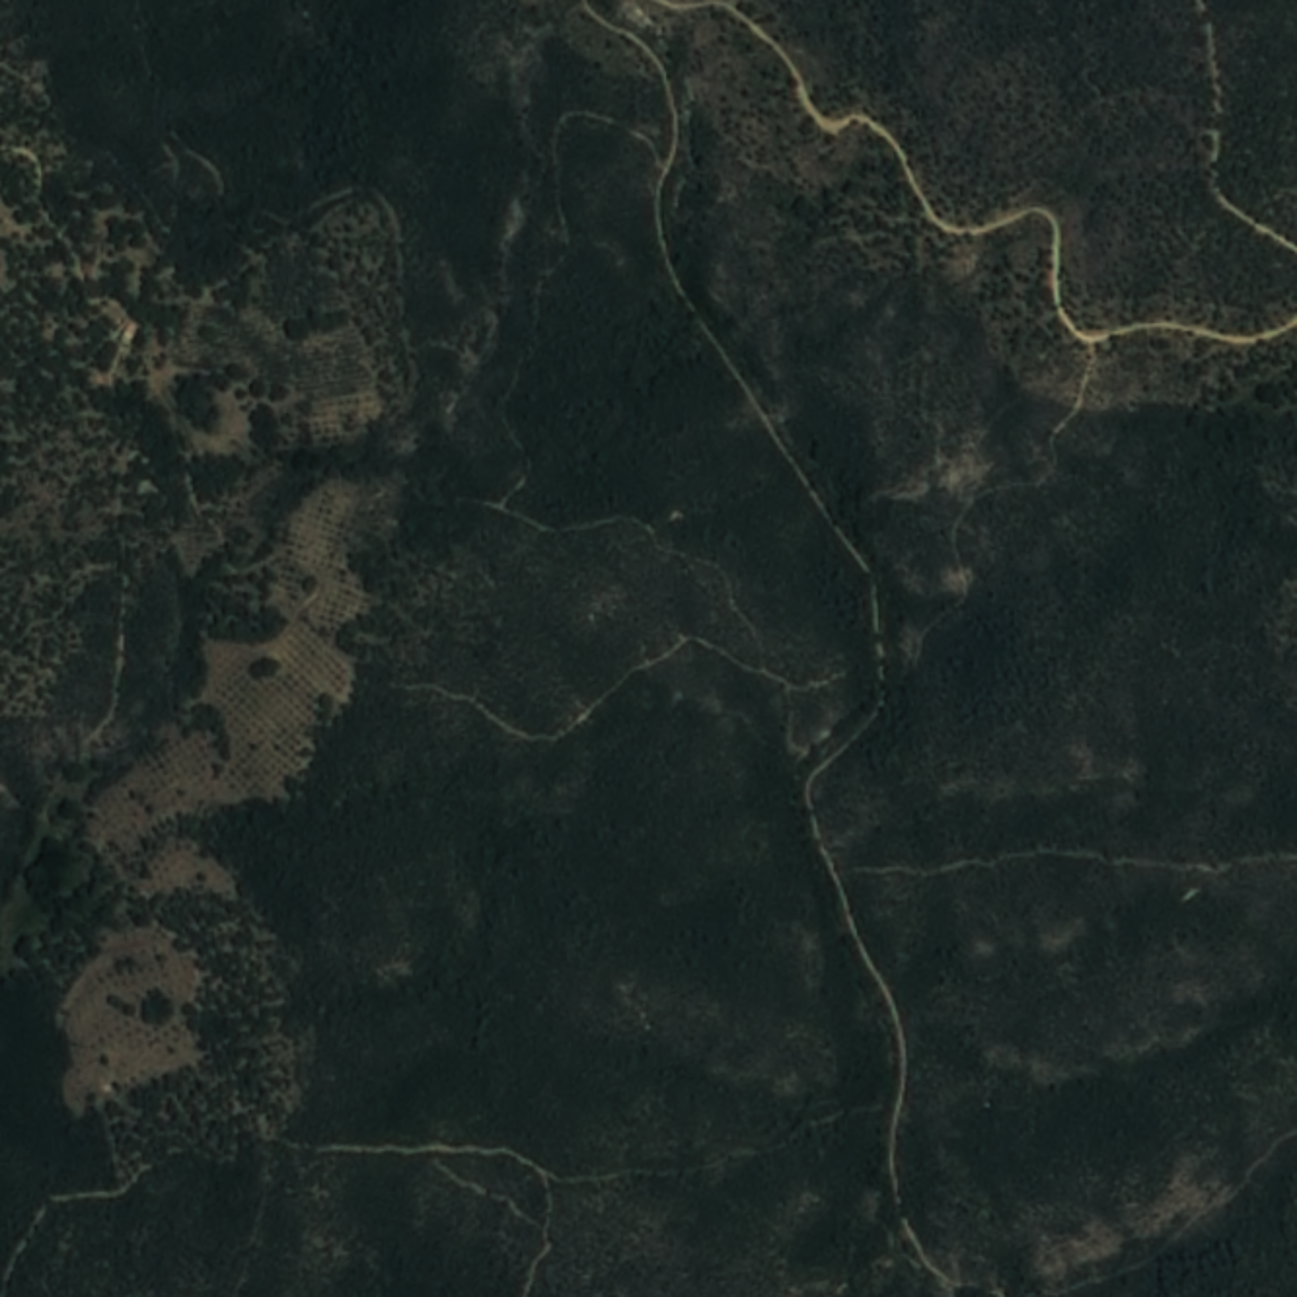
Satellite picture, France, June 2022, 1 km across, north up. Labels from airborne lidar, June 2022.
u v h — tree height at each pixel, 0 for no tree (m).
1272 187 7
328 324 10
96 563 8
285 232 10
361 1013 7
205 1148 9
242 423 0
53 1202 9
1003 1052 0
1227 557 7
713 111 0
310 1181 6
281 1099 7
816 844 8
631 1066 9
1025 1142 6
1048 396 0
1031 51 8
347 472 7
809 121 7
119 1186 7
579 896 8
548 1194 5
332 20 10
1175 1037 0
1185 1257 10
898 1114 0
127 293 9
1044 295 8
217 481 12
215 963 8
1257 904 0
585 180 8
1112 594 7
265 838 7
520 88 0
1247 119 7
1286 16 6
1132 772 0
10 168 8
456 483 8
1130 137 6
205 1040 7
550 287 7
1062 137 7
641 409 8
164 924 6
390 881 6
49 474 7
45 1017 7
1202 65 6
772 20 8
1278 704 7
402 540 6
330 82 8
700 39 0
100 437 6
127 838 0
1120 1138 10
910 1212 7
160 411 11
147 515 8
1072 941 0
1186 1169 0
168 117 10
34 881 14
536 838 9
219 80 10
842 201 7
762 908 6
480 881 8
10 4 8
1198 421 13
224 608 8
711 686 0
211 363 6
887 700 10
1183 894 0
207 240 8
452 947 12
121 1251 7
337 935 7
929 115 6
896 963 6
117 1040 0
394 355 8
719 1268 6
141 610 9
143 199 10
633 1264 6
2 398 10
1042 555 0
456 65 9
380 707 8
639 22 0
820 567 10
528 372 8
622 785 6
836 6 7
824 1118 9
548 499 9
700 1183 6
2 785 0
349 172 7
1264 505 8
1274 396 10
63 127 8
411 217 7
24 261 7
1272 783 6
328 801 8
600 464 11
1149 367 0
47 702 6
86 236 8
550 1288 8
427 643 8
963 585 0
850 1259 8
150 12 11
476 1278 8
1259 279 5
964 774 8
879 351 0
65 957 8
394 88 11
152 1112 7
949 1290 0
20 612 6
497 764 8
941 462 0
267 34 8
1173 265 7
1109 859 7
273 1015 7
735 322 6
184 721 6
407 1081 6
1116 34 7
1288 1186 6
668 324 9
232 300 9
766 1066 0
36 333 8
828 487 7
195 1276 8
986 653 6
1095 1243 0
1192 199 7
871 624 6
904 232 6
